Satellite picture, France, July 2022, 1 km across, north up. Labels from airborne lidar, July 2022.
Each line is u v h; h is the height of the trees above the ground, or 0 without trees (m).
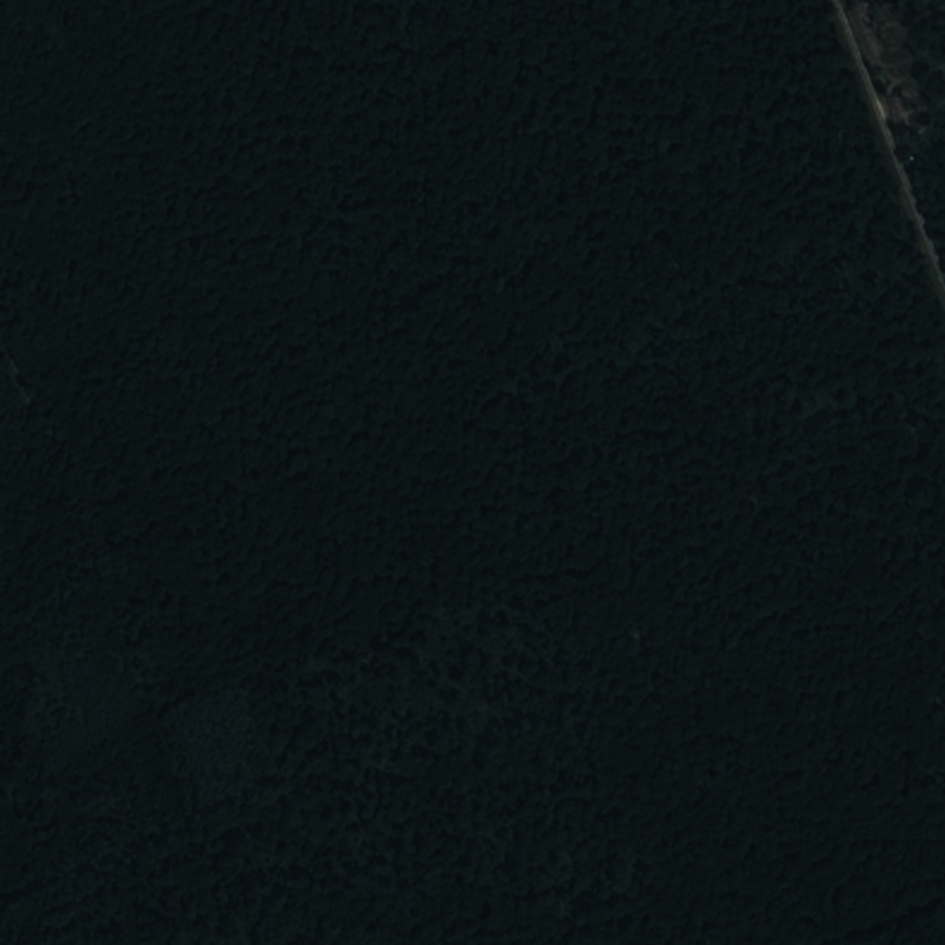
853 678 16
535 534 23
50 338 23
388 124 26
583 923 9
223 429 24
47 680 16
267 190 27
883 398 17
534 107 20
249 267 29
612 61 27
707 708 26
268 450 27
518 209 26
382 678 25
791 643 19
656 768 24
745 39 26
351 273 28
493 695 26
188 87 23
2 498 18
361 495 22
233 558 23
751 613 21
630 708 24
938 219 28
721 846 25
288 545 21
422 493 27
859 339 26
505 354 26
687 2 23
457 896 21
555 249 25
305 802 24
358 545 27
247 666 19
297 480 27
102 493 20
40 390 23
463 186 27
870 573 24
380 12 26
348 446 27
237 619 26
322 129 29
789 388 24
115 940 23
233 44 25
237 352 17
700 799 21
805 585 24
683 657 22
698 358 19
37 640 23
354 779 6
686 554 19
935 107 22
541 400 23
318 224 26
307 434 27
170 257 18
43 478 18
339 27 27
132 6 25
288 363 25
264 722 17
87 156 23
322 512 26
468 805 22
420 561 24
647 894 24
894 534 25
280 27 29
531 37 24
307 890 19
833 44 22
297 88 27
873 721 23
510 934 24
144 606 27
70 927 21
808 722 22
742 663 19
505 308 26
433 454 24
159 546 28
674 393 25
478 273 28
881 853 15
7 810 6
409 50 27
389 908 22
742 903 23
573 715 16
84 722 7
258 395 25
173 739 8
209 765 20
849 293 25
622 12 28
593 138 29
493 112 26
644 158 27
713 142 27
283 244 27
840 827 18
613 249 22
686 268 21
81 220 24
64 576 16
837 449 24
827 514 25
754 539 18
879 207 17
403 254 25
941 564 22
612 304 24
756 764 19
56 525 20
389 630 9
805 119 24
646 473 13
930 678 26
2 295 24
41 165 22
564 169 26
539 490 23
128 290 21
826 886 25
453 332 25
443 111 19
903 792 23
